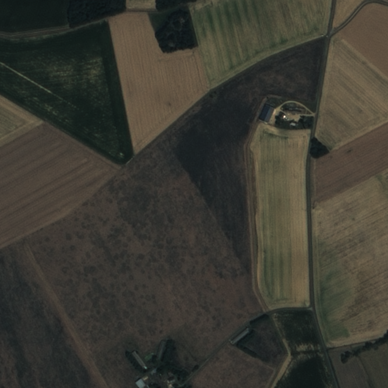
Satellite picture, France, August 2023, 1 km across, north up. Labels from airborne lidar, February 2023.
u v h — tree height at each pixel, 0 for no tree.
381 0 0
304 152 0
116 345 0
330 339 0
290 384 0
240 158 0
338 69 0
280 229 0
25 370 0
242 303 0
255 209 0
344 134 0
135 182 0
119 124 0
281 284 0
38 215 0
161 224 0
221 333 0
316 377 0
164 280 0
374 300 0
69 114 0
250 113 0
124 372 0
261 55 0
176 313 0
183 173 0
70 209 0
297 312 0
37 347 0
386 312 0
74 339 0
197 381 0
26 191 0
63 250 0
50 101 0
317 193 0
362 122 0
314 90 0
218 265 0
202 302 0
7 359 0
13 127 0
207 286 0
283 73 0
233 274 0
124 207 0
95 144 0
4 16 0
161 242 0
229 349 0
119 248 0
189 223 0
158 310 0
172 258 0
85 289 0
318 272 0
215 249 0
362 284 0
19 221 0
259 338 0
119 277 0
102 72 0
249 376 0
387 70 0
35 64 0
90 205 0
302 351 0
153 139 0
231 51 0
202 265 0
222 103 0
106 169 0
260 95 0
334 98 0
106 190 0
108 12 12
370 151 0
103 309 0
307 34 0
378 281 0
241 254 0
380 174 0
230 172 0
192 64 0
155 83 0
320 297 0
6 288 0
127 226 0
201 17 0
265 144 0
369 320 0
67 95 0
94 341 0
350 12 0
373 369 0
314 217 0
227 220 0
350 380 0
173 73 0
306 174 0
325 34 0
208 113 0
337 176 0
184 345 0
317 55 0
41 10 0
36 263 0
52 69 0
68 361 0
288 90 0
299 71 0
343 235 0
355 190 0
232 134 0
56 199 0
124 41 0
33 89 0
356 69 0
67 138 0
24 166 0
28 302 0
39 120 0
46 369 0
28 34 0
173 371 5
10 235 0
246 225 0
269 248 0
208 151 0
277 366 0
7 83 0
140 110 0
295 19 0
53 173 0
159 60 0
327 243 0
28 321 0
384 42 0
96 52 0
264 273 0
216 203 0
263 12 0
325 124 0
